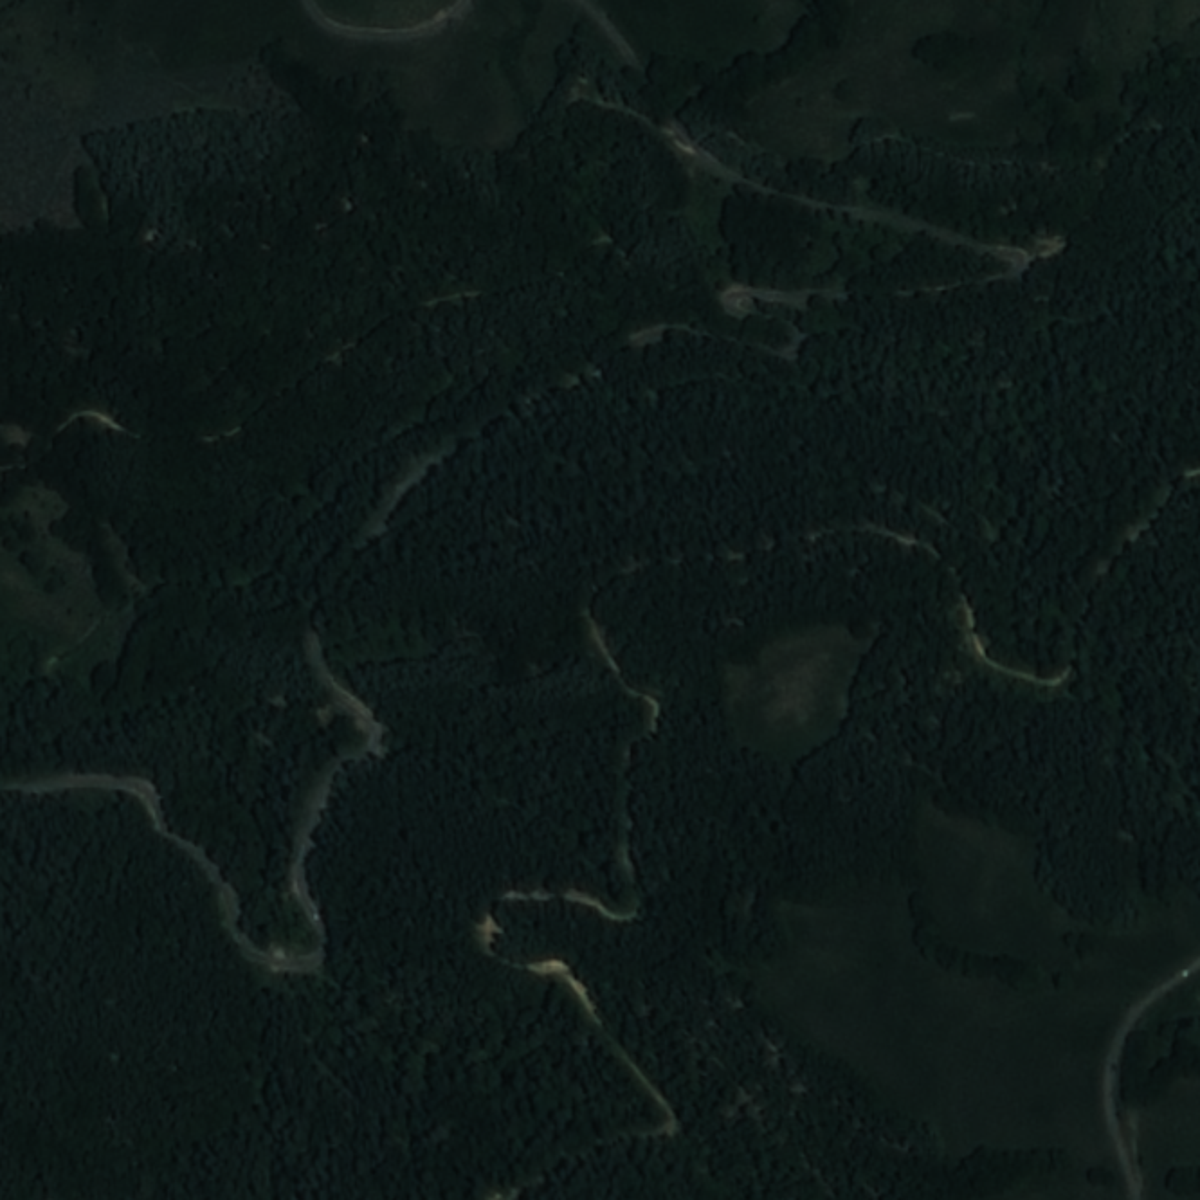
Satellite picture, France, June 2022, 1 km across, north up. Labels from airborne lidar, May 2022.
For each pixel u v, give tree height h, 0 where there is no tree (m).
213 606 18
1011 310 18
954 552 19
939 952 11
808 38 24
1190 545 22
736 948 21
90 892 21
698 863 18
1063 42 0
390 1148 25
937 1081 0
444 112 0
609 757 19
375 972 6
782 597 18
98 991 20
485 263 16
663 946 18
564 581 23
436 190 11
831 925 0
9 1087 19
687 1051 24
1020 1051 0
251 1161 24
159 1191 14
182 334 17
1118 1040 0
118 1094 18
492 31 0
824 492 16
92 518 12
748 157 20
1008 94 0
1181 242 20
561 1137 15
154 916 20
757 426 25
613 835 18
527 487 18
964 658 18
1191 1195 9
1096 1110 0
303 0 0
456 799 17
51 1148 16
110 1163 16
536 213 17
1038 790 21
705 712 18
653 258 16
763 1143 14
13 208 0
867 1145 14
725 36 0
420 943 15
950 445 13
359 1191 17
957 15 0
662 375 27
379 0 0
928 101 0
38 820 27
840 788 22
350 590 20
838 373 14
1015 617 17
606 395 11
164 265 16
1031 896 0
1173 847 21
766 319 13
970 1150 0
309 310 17
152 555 18
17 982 16
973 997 0
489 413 27
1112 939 0
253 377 17
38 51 0
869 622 13
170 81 0
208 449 16
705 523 15
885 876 13
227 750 23
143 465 20
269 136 20
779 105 0
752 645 19
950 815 7
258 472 19
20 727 22
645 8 0
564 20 0
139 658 26
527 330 33
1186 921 0
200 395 7
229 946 18
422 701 21
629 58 0
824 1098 10
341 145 15
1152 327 25
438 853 19
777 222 21
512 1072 18
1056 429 17
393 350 22
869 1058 0
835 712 0
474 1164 16
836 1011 0
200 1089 19
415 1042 17
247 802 27
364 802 15
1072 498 19
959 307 17
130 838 18
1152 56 9
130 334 25
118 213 16
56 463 14
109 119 0
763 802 13
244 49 0
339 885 14
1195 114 24
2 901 27
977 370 24
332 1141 11
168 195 23
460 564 14
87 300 24
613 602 19
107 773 19
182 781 25
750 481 18
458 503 12
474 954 19
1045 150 13
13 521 9
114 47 0
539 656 15
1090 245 21
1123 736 17
